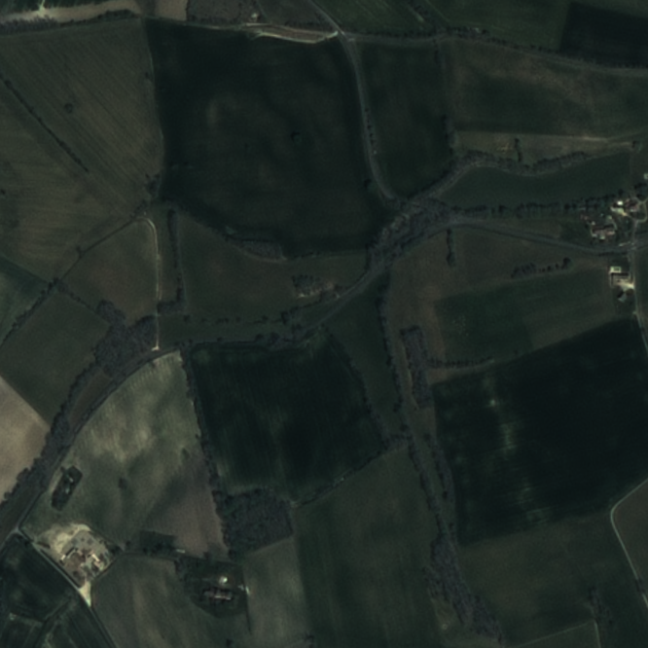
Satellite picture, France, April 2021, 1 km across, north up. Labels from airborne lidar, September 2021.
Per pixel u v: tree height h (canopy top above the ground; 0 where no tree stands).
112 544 0
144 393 0
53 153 0
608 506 0
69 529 0
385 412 0
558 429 0
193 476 0
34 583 0
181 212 9
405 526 0
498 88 0
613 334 0
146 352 12
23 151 0
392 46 0
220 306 0
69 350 0
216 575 0
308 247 0
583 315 0
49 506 0
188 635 0
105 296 0
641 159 0
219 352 0
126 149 0
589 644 0
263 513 19
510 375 0
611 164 0
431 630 0
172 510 0
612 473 0
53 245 0
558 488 0
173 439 0
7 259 0
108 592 0
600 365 0
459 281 0
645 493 0
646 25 0
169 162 0
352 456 0
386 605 0
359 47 0
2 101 0
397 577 0
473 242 0
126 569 0
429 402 14
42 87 0
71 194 0
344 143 0
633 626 0
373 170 0
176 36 0
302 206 0
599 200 6
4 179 0
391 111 0
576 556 0
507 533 0
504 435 0
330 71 0
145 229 0
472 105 0
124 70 0
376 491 0
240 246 11
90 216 0
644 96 0
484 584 0
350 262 0
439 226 11
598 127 0
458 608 16
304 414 0
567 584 0
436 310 0
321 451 0
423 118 0
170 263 0
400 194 0
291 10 0
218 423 0
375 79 0
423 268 0
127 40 0
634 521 0
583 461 0
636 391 0
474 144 0
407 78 0
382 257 20
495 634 16
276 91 0
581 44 0
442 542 15
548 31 0
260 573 0
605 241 8
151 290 0
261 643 0
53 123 0
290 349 0
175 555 18
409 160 0
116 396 0
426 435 0
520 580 0
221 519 17
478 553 0
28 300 0
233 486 0
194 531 0
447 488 12
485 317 0
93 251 0
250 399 0
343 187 0
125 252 0
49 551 0
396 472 0
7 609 9
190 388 10
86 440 0
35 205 0
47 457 15
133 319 0
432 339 0
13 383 0
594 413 0
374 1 0
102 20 11
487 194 0
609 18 0
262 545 20
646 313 0
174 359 0
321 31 12
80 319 0
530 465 0
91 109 0
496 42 8
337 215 0
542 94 0
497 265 0
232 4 0
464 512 0
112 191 0
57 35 0
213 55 0
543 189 0
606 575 0
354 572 0
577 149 0
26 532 0
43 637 0
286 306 0
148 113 0
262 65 0
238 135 0
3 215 0
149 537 0
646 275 0
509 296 0
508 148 0
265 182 0
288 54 0
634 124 0
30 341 0
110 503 0
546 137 0
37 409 0
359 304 0
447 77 0
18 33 15
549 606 0
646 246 0
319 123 0
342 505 0
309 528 0
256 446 0
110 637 0
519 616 0
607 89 0
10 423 0
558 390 0
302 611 0
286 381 0
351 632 0
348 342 0
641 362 0
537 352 0
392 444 14
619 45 0
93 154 0
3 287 0
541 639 0
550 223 0
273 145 0
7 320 0
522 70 0
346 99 0
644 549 0
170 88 0
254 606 0
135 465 0
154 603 0
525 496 0
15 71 0
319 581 0
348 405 0
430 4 0
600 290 0
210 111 0
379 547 0
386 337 16
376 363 0
